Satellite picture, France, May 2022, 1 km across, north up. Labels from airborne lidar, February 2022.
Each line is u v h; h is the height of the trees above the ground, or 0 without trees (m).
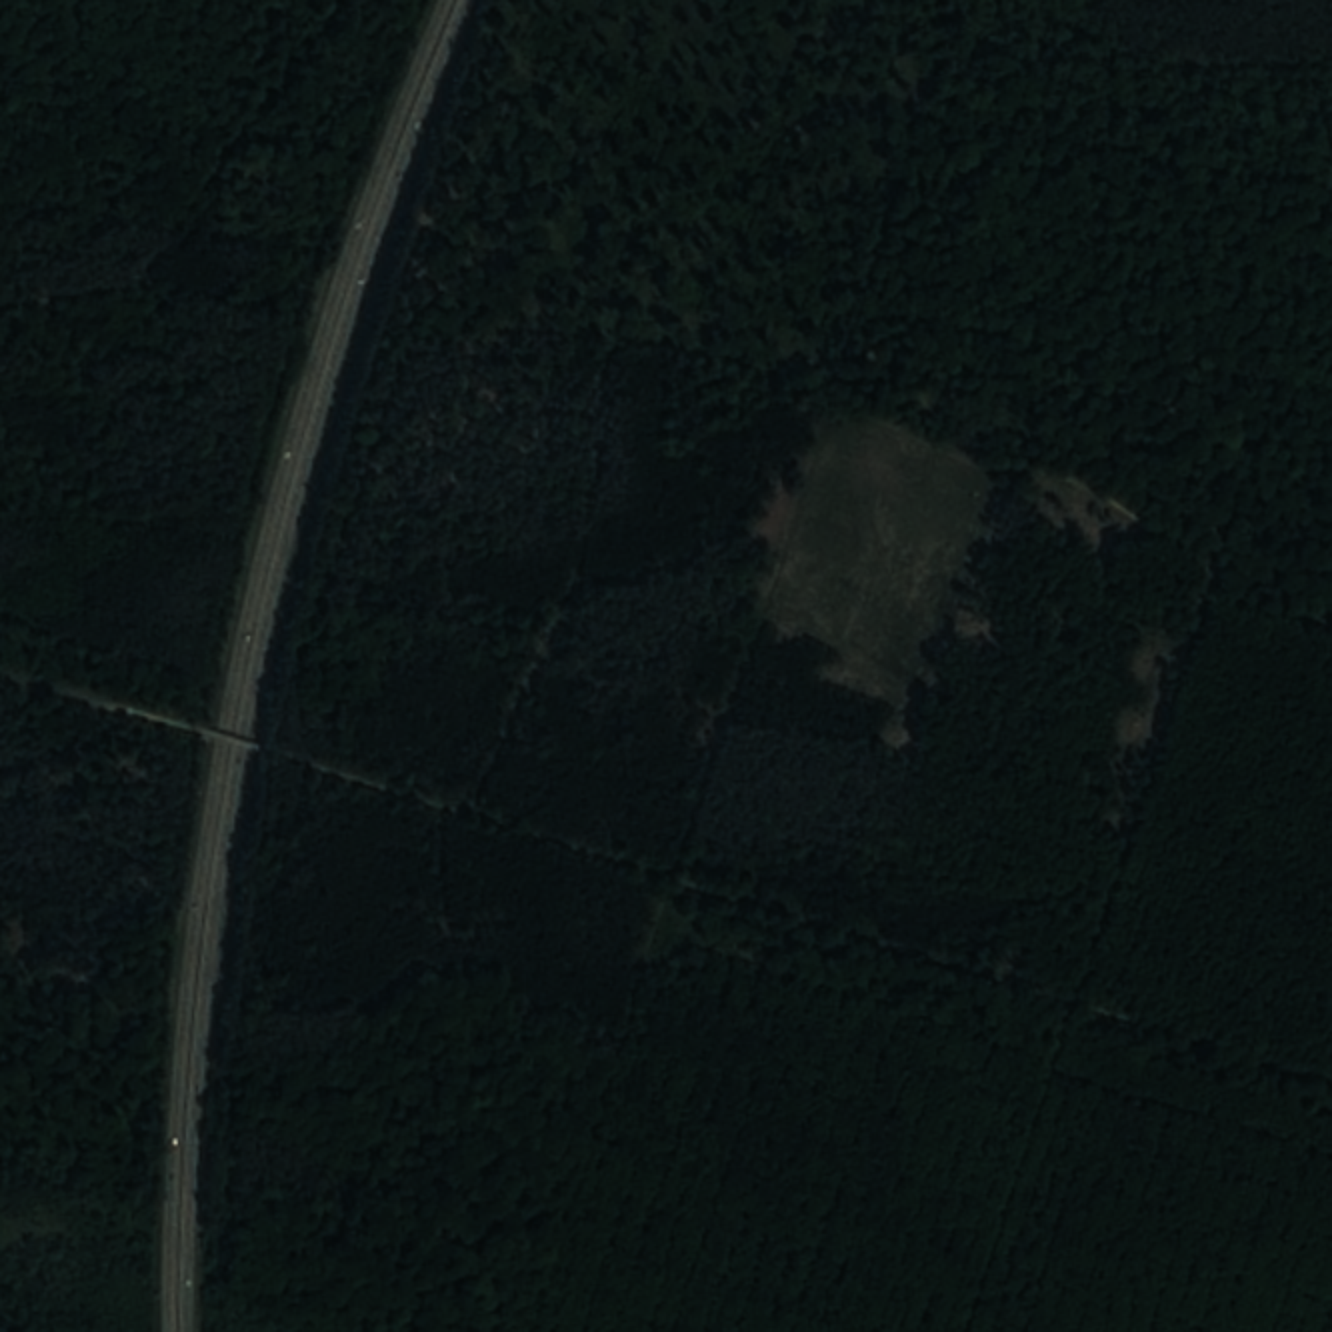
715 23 28
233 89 25
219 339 23
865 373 25
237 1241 24
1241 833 21
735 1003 17
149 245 28
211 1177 17
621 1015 17
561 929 14
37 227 28
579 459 27
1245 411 27
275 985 12
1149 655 0
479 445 27
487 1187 33
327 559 15
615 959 18
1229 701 21
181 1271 0
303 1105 30
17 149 29
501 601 13
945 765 23
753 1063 17
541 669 22
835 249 27
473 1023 20
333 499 16
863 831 23
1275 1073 23
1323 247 25
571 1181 26
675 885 17
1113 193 27
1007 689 22
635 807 18
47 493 23
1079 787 21
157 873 19
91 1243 7
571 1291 16
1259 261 26
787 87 28
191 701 15
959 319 27
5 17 27
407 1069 26
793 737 23
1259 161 26
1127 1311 12
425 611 22
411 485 28
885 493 0
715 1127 14
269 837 19
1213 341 28
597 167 30
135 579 22
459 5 0
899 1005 27
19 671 20
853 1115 17
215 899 0
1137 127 27
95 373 30
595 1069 28
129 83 26
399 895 13
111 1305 11
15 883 16
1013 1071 16
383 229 0
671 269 28
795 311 28
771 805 23
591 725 23
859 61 30
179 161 27
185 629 17
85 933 25
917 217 30
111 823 21
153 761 18
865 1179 14
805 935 24
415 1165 25
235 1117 24
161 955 16
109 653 20
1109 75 10
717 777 21
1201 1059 26
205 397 29
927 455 0
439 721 13
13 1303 17
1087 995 18
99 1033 25
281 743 18
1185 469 17
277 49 24
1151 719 0
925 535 0
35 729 12
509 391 27
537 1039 26
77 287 28
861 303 22
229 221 24
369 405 22
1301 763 23
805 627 0
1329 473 27
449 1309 28
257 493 14
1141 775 24
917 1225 16
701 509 11
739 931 28
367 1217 28
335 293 0
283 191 29
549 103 28
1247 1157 16
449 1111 26
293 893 18
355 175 17
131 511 28
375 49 20
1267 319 26
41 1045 26
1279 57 23
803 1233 15
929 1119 16
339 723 22
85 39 26
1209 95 29
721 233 27
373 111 13
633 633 30
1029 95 28
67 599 17
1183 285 26
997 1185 16
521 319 26
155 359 29
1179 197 30
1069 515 0
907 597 0
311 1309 28
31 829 23
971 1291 14
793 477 21
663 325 26
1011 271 29
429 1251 29
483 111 28
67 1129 24
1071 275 26
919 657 0
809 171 16
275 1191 25
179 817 16
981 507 0
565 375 23
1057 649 24
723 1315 15
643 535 16
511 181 27
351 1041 27
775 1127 17
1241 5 26
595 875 16
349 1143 25
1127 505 23
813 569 0
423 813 10
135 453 25
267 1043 24
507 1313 26
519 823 16
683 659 25
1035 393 27
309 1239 28
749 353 19
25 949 0
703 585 24
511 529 22
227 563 17
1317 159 26
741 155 25
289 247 13
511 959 14
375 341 18
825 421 22
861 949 26
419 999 27
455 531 25
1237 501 28
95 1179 18
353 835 15
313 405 0
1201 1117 19
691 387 10
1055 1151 16
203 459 27
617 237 30
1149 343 32
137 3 26
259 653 0
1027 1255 15
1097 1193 17
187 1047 0
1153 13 25
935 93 23
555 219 33
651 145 29
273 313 24
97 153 27
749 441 26
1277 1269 15
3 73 27
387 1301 26
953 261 28
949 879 21
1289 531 27
